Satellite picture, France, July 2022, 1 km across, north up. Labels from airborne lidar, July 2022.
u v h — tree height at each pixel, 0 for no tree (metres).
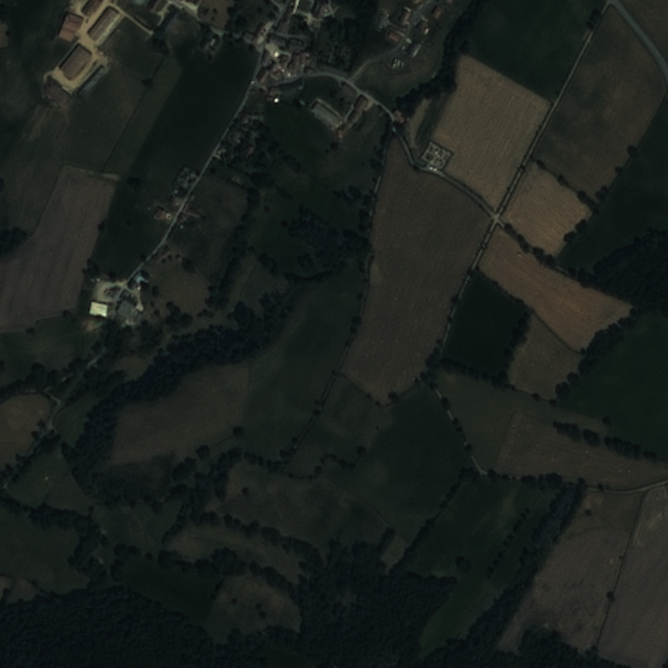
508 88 0
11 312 0
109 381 14
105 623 21
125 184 0
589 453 0
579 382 14
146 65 0
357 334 13
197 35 0
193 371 13
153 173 0
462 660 17
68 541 0
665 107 0
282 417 0
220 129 0
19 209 0
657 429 0
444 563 0
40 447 7
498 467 0
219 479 14
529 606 0
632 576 0
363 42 19
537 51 0
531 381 0
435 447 0
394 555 0
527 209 0
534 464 0
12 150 0
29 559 0
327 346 0
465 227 0
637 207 0
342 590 16
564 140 0
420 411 0
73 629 19
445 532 0
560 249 0
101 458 11
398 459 0
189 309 0
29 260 0
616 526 0
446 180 0
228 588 0
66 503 0
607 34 0
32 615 23
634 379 0
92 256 0
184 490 24
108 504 14
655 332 0
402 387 0
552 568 0
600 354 15
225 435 0
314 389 0
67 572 0
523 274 0
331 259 26
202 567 22
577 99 0
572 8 0
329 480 0
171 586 0
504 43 0
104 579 14
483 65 0
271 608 0
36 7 0
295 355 0
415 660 12
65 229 0
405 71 0
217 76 0
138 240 0
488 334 0
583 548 0
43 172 0
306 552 23
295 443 8
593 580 0
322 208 0
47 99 0
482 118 0
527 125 0
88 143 0
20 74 0
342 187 0
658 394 0
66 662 22
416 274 0
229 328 0
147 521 0
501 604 19
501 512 0
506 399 0
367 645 14
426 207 0
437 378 13
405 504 0
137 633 21
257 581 0
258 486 0
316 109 0
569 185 9
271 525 0
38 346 0
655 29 0
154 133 0
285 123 0
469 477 16
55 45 0
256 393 0
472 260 0
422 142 0
